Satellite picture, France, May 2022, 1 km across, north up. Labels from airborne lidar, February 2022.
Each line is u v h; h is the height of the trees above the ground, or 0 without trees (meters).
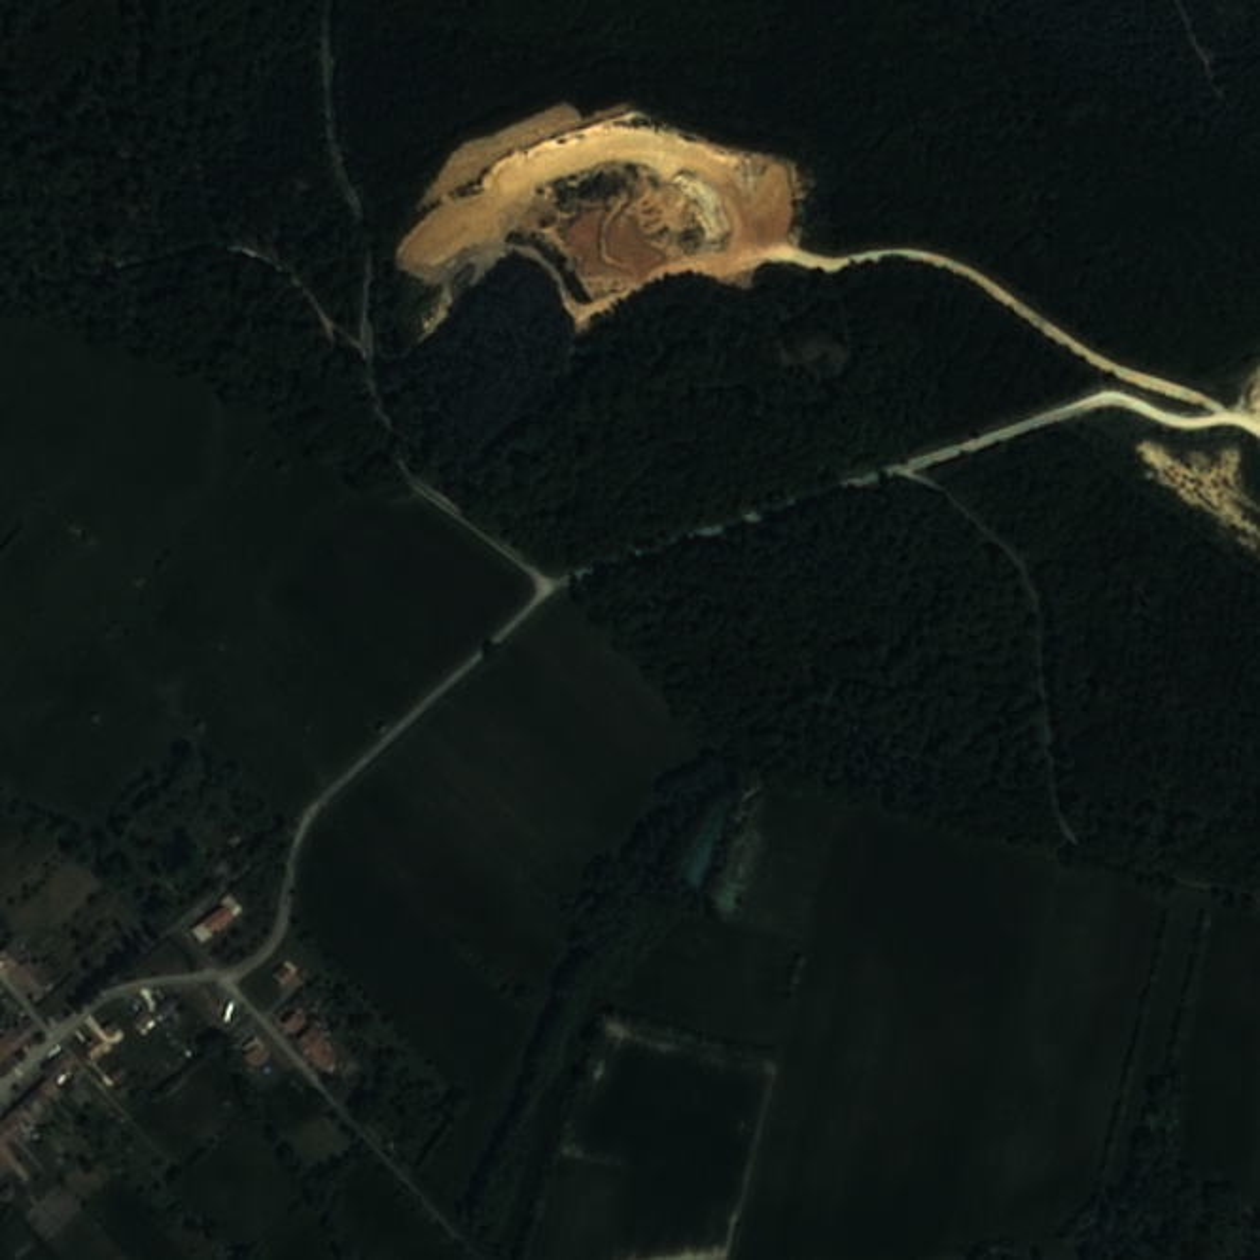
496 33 13
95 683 0
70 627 0
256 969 0
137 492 0
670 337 12
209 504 0
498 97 14
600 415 23
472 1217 20
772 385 19
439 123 16
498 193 0
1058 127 15
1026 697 22
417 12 15
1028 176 12
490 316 20
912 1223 0
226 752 0
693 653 19
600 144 0
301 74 15
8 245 26
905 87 17
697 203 0
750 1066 0
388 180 11
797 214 0
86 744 0
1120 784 9
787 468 23
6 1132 0
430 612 0
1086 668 15
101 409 0
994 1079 0
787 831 0
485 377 22
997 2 13
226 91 20
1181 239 13
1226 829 10
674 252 0
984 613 29
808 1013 0
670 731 0
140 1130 0
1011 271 13
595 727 0
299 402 19
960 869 0
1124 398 0
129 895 10
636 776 0
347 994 9
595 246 0
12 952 0
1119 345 11
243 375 27
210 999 0
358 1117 18
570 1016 20
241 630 0
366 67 17
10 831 0
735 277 0
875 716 30
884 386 15
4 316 21
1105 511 13
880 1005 0
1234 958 0
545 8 18
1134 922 0
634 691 0
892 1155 0
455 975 0
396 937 0
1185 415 0
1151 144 16
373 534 0
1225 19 10
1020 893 0
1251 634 9
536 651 0
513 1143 19
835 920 0
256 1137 0
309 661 0
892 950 0
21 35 14
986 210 12
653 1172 0
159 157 22
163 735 0
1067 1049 0
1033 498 18
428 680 0
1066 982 0
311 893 0
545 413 18
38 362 0
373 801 0
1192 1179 15
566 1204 0
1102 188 15
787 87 16
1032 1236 0
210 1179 0
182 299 25
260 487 0
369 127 17
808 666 13
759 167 0
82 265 31
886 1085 0
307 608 0
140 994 0
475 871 0
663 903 21
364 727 0
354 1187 0
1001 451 7
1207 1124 0
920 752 24
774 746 24
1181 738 7
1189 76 9
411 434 26
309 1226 0
